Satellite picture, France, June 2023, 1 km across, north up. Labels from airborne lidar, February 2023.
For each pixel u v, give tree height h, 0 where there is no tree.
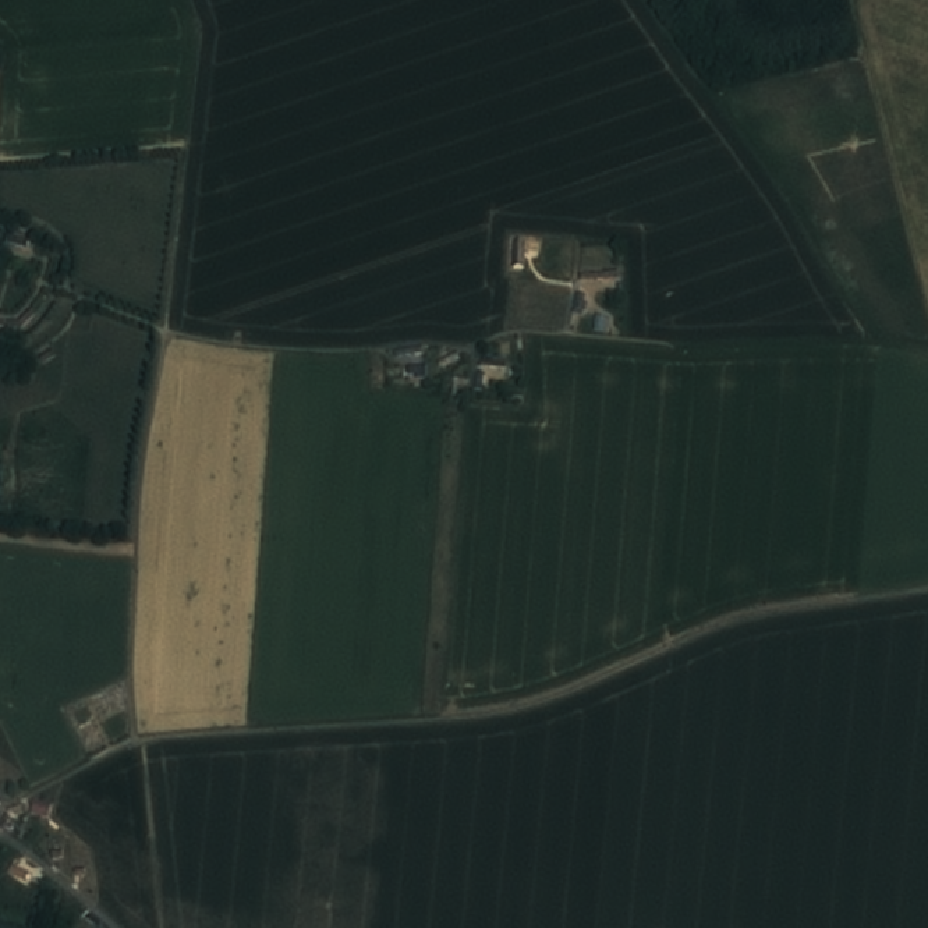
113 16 0
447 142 0
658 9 16
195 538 0
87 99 0
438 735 0
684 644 0
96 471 0
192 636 0
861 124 0
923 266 0
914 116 0
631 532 0
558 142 0
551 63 0
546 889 0
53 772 0
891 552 0
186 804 0
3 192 0
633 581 0
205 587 0
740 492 0
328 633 0
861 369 0
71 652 0
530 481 0
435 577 0
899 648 0
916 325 0
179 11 0
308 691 0
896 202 0
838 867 0
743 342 0
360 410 0
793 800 0
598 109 0
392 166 0
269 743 0
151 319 9
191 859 0
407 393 0
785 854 0
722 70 13
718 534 0
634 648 0
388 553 0
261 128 0
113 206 0
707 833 0
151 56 0
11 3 0
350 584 0
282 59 0
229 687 0
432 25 0
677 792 0
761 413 0
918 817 0
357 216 0
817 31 19
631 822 0
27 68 0
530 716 0
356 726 0
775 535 0
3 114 0
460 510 0
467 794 0
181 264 0
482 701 0
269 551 0
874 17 0
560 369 0
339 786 0
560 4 0
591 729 0
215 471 0
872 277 0
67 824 0
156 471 0
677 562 0
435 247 0
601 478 0
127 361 0
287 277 0
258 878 0
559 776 0
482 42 0
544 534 0
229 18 0
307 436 0
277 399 0
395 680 0
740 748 0
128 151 12
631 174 0
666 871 0
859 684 0
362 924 0
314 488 0
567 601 0
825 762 0
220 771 0
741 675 0
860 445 0
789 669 0
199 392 0
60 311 0
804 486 0
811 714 0
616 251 15
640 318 0
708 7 16
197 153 0
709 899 0
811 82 0
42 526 11
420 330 0
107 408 0
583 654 0
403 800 0
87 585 0
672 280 0
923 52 0
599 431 0
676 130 0
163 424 0
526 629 0
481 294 0
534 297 0
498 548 0
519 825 0
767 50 18
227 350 0
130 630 0
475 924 0
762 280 0
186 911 0
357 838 0
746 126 0
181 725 0
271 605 0
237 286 0
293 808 0
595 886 0
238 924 0
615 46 0
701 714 0
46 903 9
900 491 0
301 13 0
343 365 0
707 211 0
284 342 0
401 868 0
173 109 0
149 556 0
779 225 0
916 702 0
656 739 0
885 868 0
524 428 0
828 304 0
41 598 0
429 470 0
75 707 0
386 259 0
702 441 0
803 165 0
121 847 0
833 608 0
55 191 0
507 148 0
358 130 0
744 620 0
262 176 0
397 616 0
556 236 0
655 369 0
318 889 0
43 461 0
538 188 0
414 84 0
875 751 0
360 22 0
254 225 0
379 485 0
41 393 0
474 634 0
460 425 0
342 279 0
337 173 0
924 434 0
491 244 0
